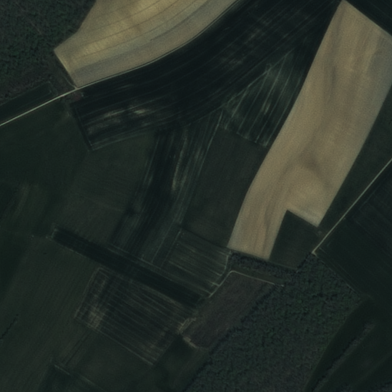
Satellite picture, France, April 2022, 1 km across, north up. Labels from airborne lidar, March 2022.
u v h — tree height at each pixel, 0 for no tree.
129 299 0
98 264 0
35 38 20
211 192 0
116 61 0
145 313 0
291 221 0
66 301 0
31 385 0
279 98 0
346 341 0
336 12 0
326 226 0
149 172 0
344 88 0
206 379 23
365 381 0
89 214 0
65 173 0
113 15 0
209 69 0
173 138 0
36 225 0
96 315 0
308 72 0
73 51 0
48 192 0
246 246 0
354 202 0
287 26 0
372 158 0
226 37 0
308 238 0
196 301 0
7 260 0
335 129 0
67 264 0
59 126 0
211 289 0
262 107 0
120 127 0
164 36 0
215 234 0
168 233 0
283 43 0
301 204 0
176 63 0
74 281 0
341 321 19
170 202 0
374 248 0
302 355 25
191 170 0
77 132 0
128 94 0
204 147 0
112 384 0
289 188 0
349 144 0
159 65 0
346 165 0
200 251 0
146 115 0
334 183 0
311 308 26
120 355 0
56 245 0
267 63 0
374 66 0
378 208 0
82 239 0
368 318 0
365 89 0
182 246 0
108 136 0
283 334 21
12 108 0
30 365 0
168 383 0
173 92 0
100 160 0
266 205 0
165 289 0
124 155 0
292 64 0
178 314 0
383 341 0
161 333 0
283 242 0
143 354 0
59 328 0
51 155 0
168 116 0
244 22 0
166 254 0
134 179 0
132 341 0
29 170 0
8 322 0
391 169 0
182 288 0
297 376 24
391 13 0
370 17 0
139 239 0
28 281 0
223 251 0
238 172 0
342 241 0
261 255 0
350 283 0
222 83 0
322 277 23
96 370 0
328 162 0
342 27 0
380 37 0
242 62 0
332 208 0
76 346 0
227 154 0
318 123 0
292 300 22
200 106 0
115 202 0
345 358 14
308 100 0
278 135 0
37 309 0
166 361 0
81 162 0
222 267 0
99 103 0
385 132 0
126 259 0
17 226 0
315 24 0
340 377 0
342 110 0
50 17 27
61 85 0
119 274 0
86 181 0
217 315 0
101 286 0
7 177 0
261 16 0
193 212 0
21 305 0
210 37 0
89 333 0
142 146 0
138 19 0
